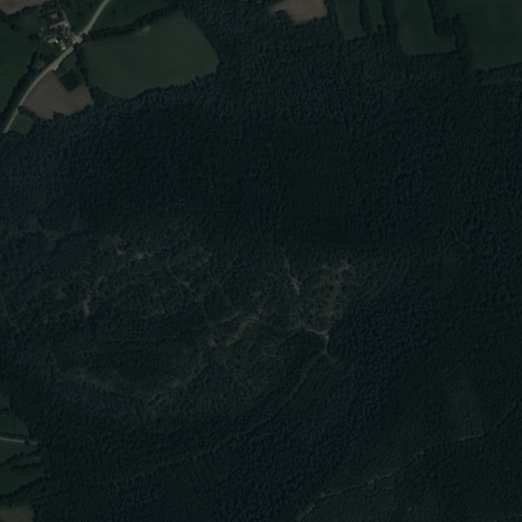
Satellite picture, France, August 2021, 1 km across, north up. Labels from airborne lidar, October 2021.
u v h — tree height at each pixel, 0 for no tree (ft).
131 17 0
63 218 63
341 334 69
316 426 40
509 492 65
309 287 70
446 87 74
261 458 60
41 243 63
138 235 65
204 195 81
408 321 95
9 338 52
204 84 39
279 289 67
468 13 0
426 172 97
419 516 34
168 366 24
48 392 65
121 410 68
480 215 93
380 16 0
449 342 73
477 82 36
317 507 32
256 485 81
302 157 59
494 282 66
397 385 85
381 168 82
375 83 35
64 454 52
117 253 37
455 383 56
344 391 39
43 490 22
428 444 45
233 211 93
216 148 102
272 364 23
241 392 66
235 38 43
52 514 38
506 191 108
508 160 67
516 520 60
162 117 75
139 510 53
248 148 94
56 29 28
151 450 87
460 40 69
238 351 25
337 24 29
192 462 53
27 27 0
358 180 70
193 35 0
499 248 88
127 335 27
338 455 85
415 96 66
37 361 86
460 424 54
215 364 43
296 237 39
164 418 44
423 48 0
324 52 60
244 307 36
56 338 26
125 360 22
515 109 82
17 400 72
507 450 74
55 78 0
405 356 82
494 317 77
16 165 29
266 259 76
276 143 59
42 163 34
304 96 64
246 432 77
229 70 54
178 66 0
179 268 19
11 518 0
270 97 72
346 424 79
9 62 0
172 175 100
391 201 100
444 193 85
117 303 19
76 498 36
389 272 66
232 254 61
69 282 61
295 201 58
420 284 62
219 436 71
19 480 0
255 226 90
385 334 81
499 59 0
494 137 83
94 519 41
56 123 38
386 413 84
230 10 18
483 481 55
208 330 29
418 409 60
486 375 58
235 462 67
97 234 36
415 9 0
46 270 68
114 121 53
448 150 94
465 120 103
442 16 77
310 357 49
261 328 18
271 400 73
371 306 49
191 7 36
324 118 47
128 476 63
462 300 55
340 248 26
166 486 57
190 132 99
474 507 41
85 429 84
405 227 85
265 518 73
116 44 0
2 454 0
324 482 52
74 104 0
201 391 73
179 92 55
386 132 87
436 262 43
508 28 0
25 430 0
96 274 58
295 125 69
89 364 34
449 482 75
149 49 0
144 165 90
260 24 39
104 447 80
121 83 0
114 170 96
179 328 62
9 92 0
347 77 61
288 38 52
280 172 59
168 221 35
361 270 73
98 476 63
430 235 70
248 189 87
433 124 92
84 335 78
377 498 62
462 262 49
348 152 60
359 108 69
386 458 44
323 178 72
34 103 0
